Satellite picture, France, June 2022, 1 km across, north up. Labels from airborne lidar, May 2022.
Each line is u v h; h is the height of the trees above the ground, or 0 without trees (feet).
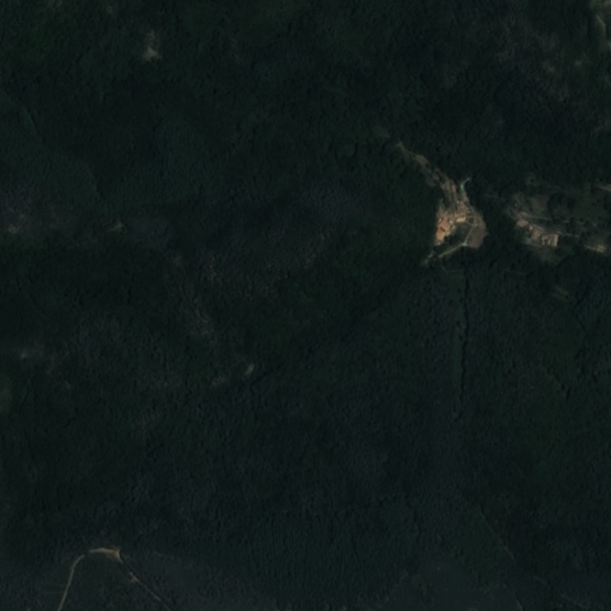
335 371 60
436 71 43
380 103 77
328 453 55
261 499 53
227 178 76
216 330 30
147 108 71
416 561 23
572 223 28
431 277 76
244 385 77
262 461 56
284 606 28
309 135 56
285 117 73
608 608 49
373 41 68
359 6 63
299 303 49
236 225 57
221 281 35
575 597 43
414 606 0
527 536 35
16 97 47
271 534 75
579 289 22
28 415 52
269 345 64
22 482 32
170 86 84
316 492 64
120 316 72
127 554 35
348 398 68
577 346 63
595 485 74
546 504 54
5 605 46
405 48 28
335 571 60
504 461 73
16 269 39
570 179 42
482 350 47
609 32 32
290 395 76
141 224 0
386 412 68
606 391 47
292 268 48
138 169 68
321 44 35
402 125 76
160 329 74
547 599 35
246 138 67
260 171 30
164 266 27
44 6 24
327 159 34
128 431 22
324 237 55
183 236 40
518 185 38
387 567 45
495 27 40
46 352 20
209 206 44
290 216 61
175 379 65
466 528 58
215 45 29
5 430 23
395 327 72
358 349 84
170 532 47
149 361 46
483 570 55
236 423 52
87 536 41
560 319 58
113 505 43
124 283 37
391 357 60
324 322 34
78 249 27
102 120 60
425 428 62
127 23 34
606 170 23
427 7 80
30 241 0
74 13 25
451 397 45
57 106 36
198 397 48
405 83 33
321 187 49
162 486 47
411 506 67
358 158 54
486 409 45
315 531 76
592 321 101
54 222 36
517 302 64
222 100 53
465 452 45
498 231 43
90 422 79
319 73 65
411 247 52
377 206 53
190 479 41
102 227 26
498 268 66
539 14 52
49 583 0
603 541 50
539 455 56
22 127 50
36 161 34
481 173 59
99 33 41
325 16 35
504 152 45
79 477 23
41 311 46
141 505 51
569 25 38
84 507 73
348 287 70
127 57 55
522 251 66
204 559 40
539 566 57
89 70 66
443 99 37
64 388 32
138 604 24
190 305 49
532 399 81
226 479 50
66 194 57
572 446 70
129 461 83
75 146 48
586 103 33
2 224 29
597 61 27
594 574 52
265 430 71
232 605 0
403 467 61
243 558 56
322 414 73
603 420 53
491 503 48
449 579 0
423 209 31
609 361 55
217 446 73
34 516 30
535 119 81
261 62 73
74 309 70
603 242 0
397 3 79
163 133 68
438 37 33
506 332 61
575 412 74
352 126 42
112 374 37
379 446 57
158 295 41
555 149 56
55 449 33
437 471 59
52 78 44
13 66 29
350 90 51
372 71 33
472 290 48
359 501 48
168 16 50
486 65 23
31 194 30
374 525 53
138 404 50
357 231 40
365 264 70
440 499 53
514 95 73
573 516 64
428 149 75
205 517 25
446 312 66
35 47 21
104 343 51
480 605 0
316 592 39
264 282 67
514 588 45
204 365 58
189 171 93
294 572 57
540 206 0
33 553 22
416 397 60
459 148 30
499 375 39
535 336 76
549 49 24
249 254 55
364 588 43
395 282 70
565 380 60
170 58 39
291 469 61
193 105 55
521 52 40
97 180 26
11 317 35
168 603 45
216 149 73
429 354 60
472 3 44
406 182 60
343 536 78
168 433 66
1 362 24
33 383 44
